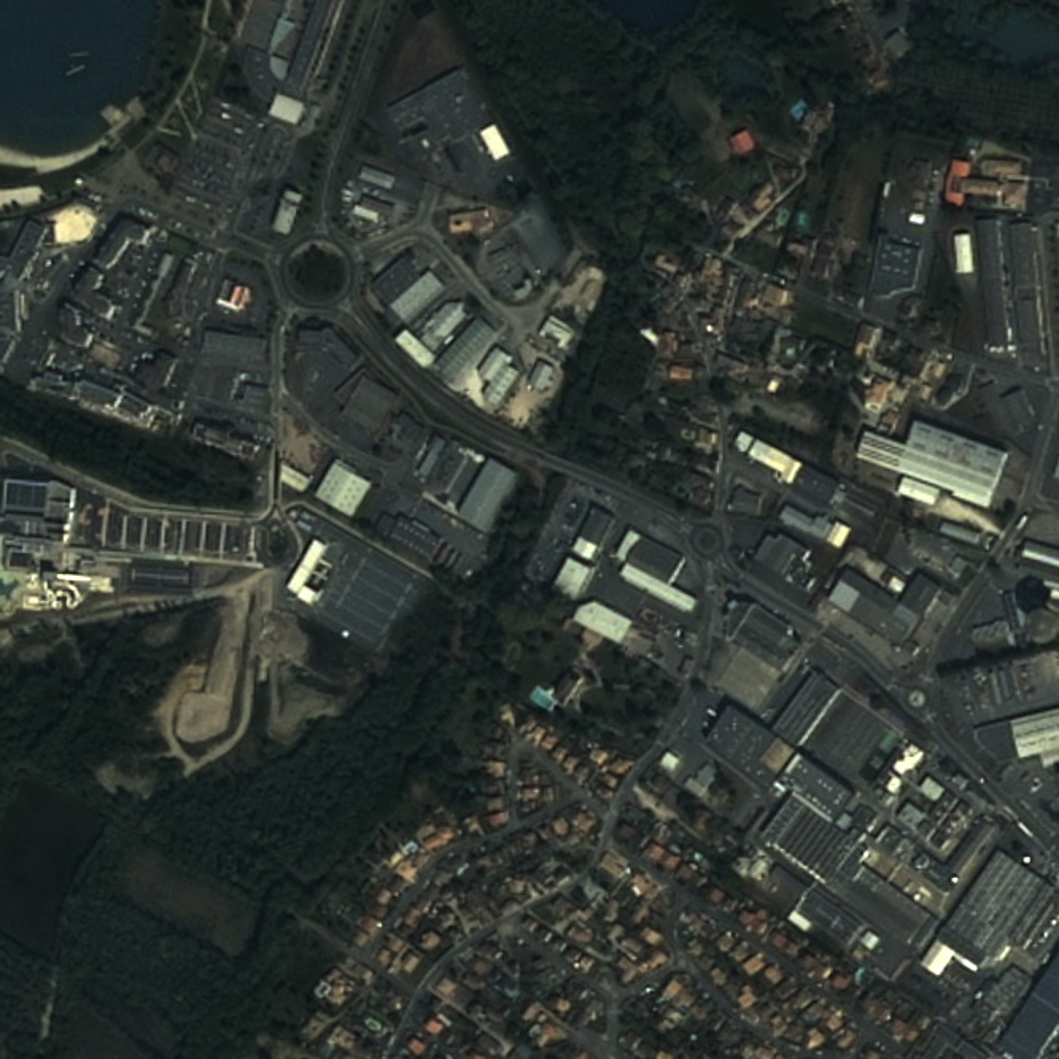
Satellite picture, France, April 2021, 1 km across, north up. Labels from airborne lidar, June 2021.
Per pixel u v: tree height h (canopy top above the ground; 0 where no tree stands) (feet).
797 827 0
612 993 0
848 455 0
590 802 0
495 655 28
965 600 0
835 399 40
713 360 0
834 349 24
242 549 0
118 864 49
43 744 54
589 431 42
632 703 0
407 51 0
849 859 0
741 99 48
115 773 0
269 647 0
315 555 0
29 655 0
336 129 23
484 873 21
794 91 0
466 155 0
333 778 51
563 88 34
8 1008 53
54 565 0
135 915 54
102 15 0
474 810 35
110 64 0
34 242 0
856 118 74
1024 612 0
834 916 0
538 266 0
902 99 23
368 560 0
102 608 0
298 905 38
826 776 0
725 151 0
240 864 70
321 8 0
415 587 0
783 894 0
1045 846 0
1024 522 0
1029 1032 0
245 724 0
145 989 52
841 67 0
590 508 0
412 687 55
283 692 0
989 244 0
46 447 59
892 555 0
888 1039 0
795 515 0
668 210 55
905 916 0
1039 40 0
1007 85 93
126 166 0
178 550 0
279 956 46
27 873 0
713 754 0
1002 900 0
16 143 0
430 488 0
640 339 17
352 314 0
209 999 72
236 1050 58
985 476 0
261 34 0
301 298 0
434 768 64
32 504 0
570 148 33
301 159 0
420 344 0
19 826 0
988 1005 0
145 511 0
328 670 0
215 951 48
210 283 0
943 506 0
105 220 0
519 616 115
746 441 0
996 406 0
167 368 0
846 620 0
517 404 0
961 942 0
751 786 0
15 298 0
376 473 0
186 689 0
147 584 0
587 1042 0
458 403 0
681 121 54
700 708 0
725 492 0
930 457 0
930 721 0
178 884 0
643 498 0
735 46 47
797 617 0
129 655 24
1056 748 0
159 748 31
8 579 0
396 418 23
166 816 50
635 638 0
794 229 26
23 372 0
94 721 28
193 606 24
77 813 0
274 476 0
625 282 50
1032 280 0
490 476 0
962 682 0
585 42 28
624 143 33
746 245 33
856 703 0
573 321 54
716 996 0
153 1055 50
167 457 0
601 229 72
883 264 0
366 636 0
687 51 48
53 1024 29
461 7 45
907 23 0
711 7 29
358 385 0
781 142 0
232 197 0
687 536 0
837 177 36
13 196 0
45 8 0
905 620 0
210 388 0
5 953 42
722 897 0
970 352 0
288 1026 29
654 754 0
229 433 0
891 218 0
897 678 0
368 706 53
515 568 49
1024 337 0
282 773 42
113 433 24
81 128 0
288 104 0
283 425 0
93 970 46
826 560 0
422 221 0
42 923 0
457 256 0
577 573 0
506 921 0
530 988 19
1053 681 0
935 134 30
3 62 0
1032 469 0
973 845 0
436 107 0
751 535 0
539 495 44
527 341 0
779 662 0
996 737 0
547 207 0
